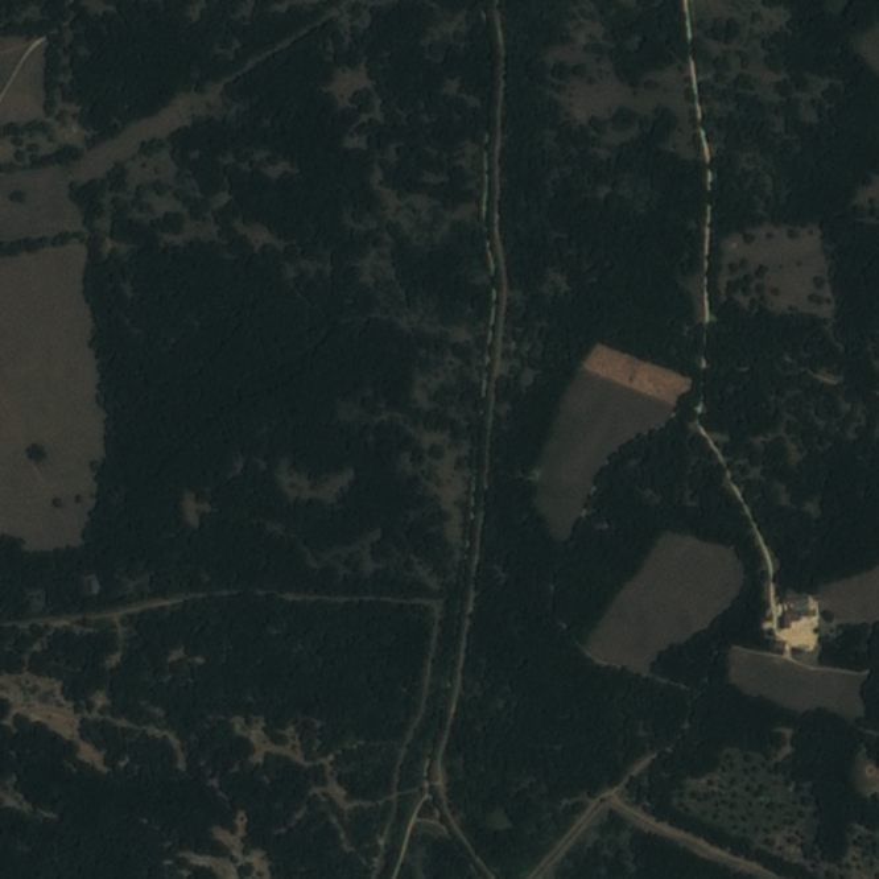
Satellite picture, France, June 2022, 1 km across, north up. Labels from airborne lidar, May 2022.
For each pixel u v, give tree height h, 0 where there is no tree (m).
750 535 6
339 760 7
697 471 9
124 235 12
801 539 9
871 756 14
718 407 7
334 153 13
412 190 11
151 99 13
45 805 10
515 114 10
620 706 10
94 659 10
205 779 10
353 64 12
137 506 11
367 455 13
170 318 11
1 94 0
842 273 11
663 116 8
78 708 10
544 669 14
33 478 0
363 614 14
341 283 11
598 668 8
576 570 15
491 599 10
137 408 8
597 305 7
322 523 12
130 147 0
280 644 12
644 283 14
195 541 14
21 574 12
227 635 9
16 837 7
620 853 8
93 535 11
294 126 15
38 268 0
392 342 15
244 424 14
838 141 10
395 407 11
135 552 12
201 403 14
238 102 7
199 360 12
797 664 0
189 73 11
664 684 8
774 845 12
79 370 0
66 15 12
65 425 0
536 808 8
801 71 10
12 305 0
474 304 11
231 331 11
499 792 9
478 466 10
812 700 0
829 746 12
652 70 6
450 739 8
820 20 18
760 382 10
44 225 0
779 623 0
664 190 9
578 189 9
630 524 13
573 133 8
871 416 8
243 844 8
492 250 6
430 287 12
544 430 14
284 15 10
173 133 8
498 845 11
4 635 11
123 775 9
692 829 10
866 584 0
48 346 0
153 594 9
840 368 8
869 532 11
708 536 11
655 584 0
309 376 13
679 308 12
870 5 15
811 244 0
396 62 11
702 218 11
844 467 12
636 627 0
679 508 9
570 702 12
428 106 9
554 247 9
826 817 13
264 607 12
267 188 14
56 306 0
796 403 9
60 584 11
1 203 0
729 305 9
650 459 11
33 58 0
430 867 9
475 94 11
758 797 11
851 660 14
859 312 11
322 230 9
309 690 12
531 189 9
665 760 8
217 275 13
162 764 7
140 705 8
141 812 10
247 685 14
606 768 8
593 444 0
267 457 9
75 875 10
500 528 6
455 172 11
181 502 7
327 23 9
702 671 13
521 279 11
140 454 15
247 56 11
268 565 8
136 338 8
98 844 12
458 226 8
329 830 9
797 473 7
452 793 7
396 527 11
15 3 8
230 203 9
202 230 0
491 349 8
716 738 12
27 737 9
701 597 0
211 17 11
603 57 7
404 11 13
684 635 0
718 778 0
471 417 7
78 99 7
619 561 12
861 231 17
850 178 13
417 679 8
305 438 13
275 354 15
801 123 11
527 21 9
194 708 10
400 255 8
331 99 7
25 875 12
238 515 11
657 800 8
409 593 12
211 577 10
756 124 7
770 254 0
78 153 12
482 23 8
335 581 11
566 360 8
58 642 10
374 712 10
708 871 8
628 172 8
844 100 10
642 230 8
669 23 7
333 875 9
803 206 14
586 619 13
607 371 0
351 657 12
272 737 6
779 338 10
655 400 0
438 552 6
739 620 12
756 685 0
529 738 12
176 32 11
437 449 8
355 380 8
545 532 11
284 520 10
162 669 9
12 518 0
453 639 8
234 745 7
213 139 12
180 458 13
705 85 10
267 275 13
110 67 11
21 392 0
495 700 8
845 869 12
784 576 10
